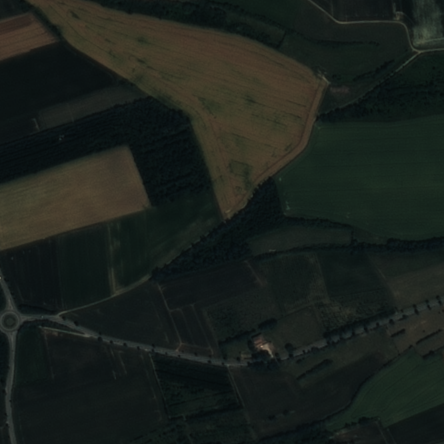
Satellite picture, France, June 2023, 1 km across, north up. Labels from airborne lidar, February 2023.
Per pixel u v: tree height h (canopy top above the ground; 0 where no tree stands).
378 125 0
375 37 0
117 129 9
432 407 0
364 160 0
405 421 0
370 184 0
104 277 0
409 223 0
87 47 0
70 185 0
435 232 0
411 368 0
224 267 0
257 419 0
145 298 0
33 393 0
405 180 0
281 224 8
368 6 0
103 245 0
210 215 0
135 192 0
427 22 0
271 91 0
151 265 0
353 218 0
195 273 0
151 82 0
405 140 0
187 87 0
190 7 16
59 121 0
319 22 0
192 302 0
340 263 0
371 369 0
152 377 0
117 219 0
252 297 0
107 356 0
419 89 8
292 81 0
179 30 0
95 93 0
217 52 0
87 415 0
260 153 0
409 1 0
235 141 0
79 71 0
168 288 0
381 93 13
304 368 0
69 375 0
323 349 8
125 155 0
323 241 0
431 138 0
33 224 0
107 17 0
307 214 0
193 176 9
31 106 0
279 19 0
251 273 0
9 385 0
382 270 0
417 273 0
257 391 0
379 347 0
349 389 0
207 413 10
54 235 0
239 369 0
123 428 0
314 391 0
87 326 0
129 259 0
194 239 0
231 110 0
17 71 0
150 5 14
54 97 0
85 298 0
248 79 0
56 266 0
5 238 0
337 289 0
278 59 0
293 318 0
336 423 0
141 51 0
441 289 0
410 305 0
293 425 0
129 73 0
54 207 0
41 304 0
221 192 0
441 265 0
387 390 0
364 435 0
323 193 0
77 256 0
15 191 0
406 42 0
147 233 0
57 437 0
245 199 0
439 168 0
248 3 0
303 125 0
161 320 0
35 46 0
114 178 0
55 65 0
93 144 11
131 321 0
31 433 0
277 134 0
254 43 0
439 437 0
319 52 0
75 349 0
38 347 0
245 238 8
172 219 0
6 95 0
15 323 0
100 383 0
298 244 0
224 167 0
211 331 0
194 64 0
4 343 13
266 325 14
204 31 0
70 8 0
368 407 0
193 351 0
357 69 0
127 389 0
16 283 0
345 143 0
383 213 0
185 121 21
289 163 0
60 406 0
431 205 0
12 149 12
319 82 0
